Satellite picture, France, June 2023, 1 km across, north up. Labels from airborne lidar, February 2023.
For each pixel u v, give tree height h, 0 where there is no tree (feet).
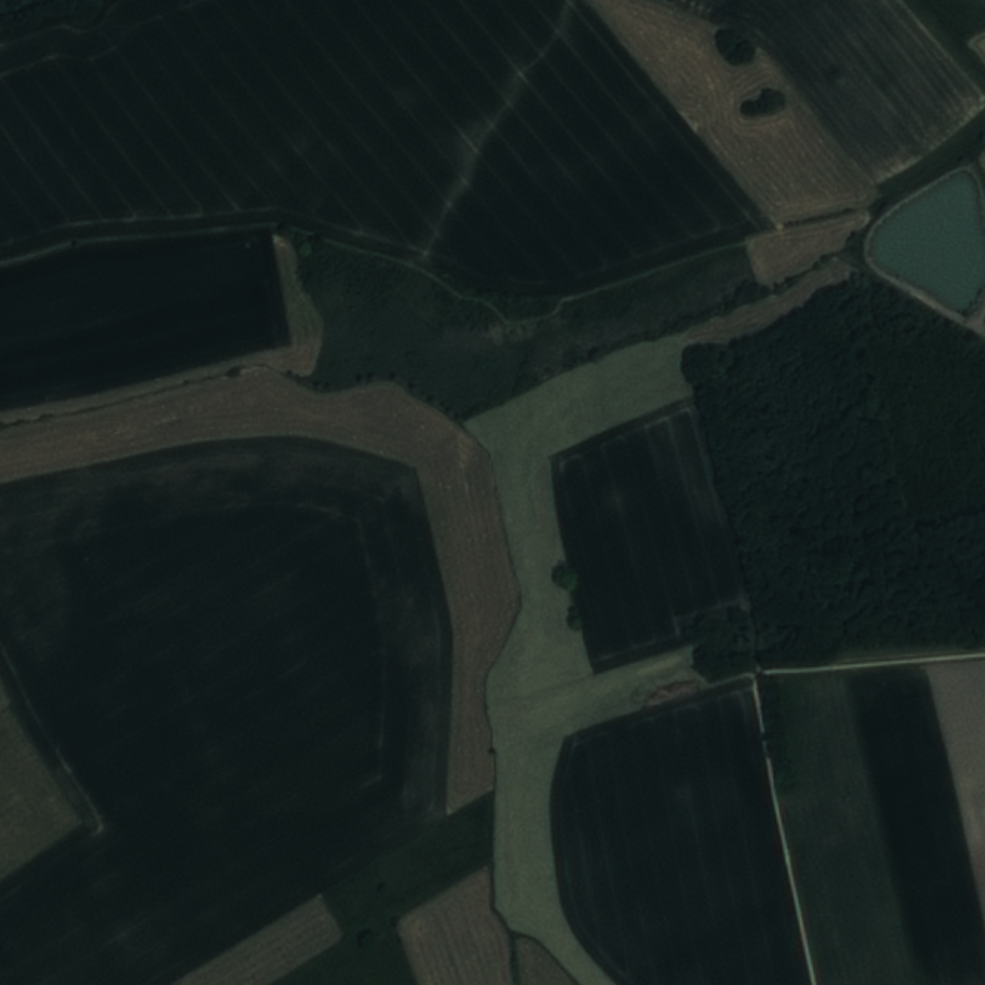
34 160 0
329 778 0
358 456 0
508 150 0
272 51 0
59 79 0
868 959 0
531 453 0
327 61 0
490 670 0
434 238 0
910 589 75
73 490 0
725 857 0
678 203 0
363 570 0
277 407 0
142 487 0
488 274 0
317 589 0
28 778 0
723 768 0
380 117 0
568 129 0
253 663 0
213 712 0
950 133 0
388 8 0
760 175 0
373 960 0
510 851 0
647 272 0
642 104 0
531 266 0
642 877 0
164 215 0
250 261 0
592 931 0
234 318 0
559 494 0
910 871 0
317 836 0
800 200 0
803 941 0
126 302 0
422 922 0
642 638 0
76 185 0
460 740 0
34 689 0
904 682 0
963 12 0
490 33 0
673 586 0
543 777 0
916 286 0
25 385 0
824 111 0
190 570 0
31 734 0
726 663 51
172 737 0
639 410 0
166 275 0
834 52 0
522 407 0
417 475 0
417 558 0
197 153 0
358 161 0
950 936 0
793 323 39
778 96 20
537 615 0
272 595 0
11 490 0
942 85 0
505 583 0
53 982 0
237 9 0
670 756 0
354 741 0
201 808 0
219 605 0
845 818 0
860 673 0
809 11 0
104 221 0
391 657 0
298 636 0
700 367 47
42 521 0
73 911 0
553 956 0
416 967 0
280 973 0
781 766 47
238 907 0
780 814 0
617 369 0
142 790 0
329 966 0
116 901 0
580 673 0
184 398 0
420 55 0
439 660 0
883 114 0
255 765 0
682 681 0
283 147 0
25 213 0
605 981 0
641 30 0
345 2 0
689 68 0
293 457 0
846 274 0
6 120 0
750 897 0
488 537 0
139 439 0
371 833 0
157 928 0
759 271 0
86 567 0
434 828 0
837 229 0
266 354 0
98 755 0
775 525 73
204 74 0
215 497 0
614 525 0
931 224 0
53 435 0
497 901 0
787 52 0
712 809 0
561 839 0
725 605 0
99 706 0
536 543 0
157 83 0
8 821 0
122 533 0
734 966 0
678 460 0
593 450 0
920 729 0
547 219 0
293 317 0
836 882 0
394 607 0
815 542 73
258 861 0
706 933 0
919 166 0
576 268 0
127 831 0
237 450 0
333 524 0
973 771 0
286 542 0
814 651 67
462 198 0
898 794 0
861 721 0
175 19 0
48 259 0
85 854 0
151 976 0
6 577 0
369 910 0
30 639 0
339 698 0
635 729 0
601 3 0
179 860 0
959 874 0
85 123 0
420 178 0
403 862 0
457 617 0
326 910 0
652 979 0
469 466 0
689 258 0
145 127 0
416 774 0
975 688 0
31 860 0
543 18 0
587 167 0
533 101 0
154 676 0
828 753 0
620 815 0
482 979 0
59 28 0
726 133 0
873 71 0
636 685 0
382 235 0
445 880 0
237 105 0
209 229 0
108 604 0
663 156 0
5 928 0
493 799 0
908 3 0
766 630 49
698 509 0
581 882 0
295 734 0
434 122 0
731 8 0
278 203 0
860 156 0
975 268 0
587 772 0
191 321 0
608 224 0
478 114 0
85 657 0
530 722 0
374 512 0
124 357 0
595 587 0
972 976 0
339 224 0
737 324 0
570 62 0
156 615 0
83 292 0
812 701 0
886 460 83
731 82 0
